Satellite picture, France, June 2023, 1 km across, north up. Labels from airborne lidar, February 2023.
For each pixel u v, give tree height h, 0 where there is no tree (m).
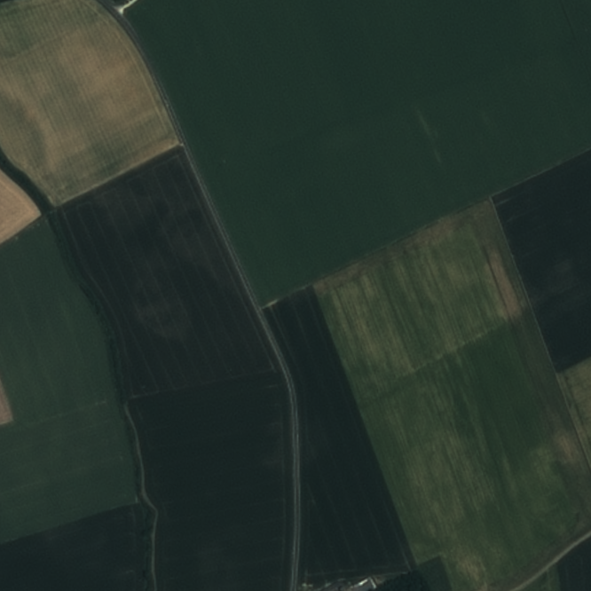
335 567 0
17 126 0
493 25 0
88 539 0
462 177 0
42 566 0
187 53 0
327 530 0
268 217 0
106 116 0
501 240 0
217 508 0
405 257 0
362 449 0
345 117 0
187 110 0
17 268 0
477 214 0
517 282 0
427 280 0
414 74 0
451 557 0
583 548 0
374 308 0
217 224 0
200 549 0
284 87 0
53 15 0
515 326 0
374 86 0
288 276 0
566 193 0
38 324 0
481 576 0
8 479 0
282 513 0
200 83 0
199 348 0
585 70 0
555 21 0
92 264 0
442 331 0
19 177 6
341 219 0
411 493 0
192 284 0
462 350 0
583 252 0
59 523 0
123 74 0
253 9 0
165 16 0
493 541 0
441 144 0
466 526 0
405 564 0
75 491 0
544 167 0
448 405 0
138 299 0
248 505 0
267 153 0
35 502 0
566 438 0
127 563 0
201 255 0
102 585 0
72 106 0
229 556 0
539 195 0
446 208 0
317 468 0
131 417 0
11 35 0
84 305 0
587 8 0
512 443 0
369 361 0
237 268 0
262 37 0
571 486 0
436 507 0
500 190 0
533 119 0
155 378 0
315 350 0
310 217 0
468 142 0
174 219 0
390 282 0
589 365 0
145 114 0
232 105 0
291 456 0
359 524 0
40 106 0
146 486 0
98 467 0
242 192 0
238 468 0
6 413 0
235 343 0
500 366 0
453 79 0
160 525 0
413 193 0
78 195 0
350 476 0
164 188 0
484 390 0
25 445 0
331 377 0
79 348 0
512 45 0
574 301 0
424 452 0
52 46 0
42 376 0
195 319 0
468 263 0
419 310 0
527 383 0
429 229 0
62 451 0
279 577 0
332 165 0
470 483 0
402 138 0
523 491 0
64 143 0
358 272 0
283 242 0
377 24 0
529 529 0
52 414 0
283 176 0
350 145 0
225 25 0
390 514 0
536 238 0
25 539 0
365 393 0
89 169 0
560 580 0
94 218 0
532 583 0
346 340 0
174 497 0
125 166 0
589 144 0
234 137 0
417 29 0
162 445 0
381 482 0
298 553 0
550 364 0
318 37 0
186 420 0
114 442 0
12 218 0
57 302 0
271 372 0
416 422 0
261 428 0
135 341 0
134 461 0
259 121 0
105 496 0
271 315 0
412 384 0
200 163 0
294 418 0
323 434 0
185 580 0
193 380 0
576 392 0
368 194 0
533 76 0
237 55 0
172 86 0
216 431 0
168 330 0
